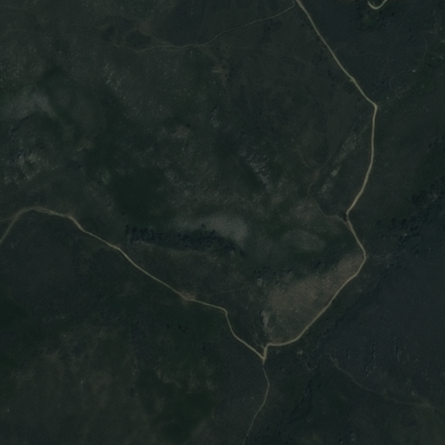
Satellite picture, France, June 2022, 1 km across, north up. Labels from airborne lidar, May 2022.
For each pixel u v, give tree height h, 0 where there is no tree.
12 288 0
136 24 0
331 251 0
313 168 0
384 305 0
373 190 0
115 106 0
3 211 0
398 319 0
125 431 0
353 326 0
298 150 0
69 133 0
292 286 0
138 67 0
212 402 0
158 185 0
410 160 0
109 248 0
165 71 0
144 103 0
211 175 0
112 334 0
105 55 0
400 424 0
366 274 0
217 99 0
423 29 6
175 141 0
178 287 0
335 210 0
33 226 0
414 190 0
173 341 0
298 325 0
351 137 0
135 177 0
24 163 0
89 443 0
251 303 0
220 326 0
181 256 0
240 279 0
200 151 0
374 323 0
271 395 0
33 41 0
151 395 0
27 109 0
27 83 0
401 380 0
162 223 0
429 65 7
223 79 0
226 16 0
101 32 0
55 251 0
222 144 0
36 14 0
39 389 0
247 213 0
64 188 0
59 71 0
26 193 0
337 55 0
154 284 0
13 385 0
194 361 0
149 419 0
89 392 0
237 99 0
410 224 16
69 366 0
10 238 0
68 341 0
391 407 0
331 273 0
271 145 0
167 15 0
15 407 0
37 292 0
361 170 0
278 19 0
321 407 0
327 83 0
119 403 0
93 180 7
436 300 0
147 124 0
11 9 0
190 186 0
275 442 0
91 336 0
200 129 0
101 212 0
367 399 0
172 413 0
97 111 0
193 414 0
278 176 0
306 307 0
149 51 0
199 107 0
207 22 0
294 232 0
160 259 0
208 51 0
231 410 0
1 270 0
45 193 0
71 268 0
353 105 0
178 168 0
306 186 0
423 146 0
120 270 0
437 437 0
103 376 0
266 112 0
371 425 0
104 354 0
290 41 0
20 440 0
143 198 0
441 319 0
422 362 0
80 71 0
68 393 0
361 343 0
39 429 0
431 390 0
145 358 0
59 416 0
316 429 0
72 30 0
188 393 0
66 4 0
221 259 0
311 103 0
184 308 0
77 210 0
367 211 0
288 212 0
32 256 0
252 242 0
